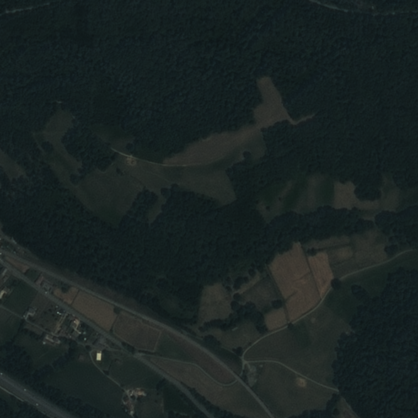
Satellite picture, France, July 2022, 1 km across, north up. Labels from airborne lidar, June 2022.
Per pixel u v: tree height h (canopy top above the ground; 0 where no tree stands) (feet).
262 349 0
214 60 72
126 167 0
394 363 67
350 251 0
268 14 27
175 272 69
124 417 0
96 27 85
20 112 73
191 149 0
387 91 61
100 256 67
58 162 0
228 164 0
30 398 0
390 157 85
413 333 76
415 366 72
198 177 0
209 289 0
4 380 0
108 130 0
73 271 44
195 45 71
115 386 0
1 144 42
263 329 59
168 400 0
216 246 60
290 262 0
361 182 83
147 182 0
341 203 0
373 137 88
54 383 0
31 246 75
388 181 0
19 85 51
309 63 54
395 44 64
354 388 90
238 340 0
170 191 36
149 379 0
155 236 91
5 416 100
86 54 86
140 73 81
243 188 56
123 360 0
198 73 89
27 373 82
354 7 69
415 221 80
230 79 57
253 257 61
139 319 0
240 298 44
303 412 0
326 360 0
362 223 86
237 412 0
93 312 0
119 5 70
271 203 0
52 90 80
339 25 65
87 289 0
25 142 62
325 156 87
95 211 0
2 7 52
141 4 77
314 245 0
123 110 31
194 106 96
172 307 0
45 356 0
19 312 0
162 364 0
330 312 0
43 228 80
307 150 45
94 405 0
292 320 0
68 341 58
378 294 0
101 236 70
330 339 0
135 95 91
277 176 31
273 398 0
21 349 51
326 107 84
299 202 0
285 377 0
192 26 93
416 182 90
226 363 0
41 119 68
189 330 32
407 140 86
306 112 80
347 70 76
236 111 70
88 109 68
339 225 65
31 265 0
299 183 0
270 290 0
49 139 0
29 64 56
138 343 0
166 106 76
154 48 70
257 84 39
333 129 82
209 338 49
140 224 87
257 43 91
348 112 62
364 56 79
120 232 53
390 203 0
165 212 52
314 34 85
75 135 84
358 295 77
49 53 89
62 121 0
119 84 85
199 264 93
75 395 0
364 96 64
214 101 79
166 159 0
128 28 84
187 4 86
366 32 73
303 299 0
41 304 0
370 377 92
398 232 64
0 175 70
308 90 70
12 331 0
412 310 88
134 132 63
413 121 97
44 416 62
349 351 52
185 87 86
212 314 0
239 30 31
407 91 75
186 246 100
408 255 0
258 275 0
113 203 0
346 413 0
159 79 83
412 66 86
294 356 0
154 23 80
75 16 54
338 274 0
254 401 0
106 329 0
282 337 0
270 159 34
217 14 86
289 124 46
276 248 70
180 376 0
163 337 0
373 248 0
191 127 85
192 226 86
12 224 52
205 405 26
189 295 43
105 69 71
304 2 49
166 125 67
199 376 0
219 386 0
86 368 0
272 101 0
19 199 81
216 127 80
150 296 47
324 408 0
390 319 89
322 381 0
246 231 35
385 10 65
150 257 85
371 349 56
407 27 72
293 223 82
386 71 59
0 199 74
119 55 85
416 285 32
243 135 0
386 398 73
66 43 63
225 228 89
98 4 74
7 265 0
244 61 53
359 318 65
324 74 73
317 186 0
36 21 44
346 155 98
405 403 53
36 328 0
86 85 93
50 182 69
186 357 0
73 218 69
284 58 40
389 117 76
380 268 0
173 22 78
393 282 38
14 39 75
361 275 0
